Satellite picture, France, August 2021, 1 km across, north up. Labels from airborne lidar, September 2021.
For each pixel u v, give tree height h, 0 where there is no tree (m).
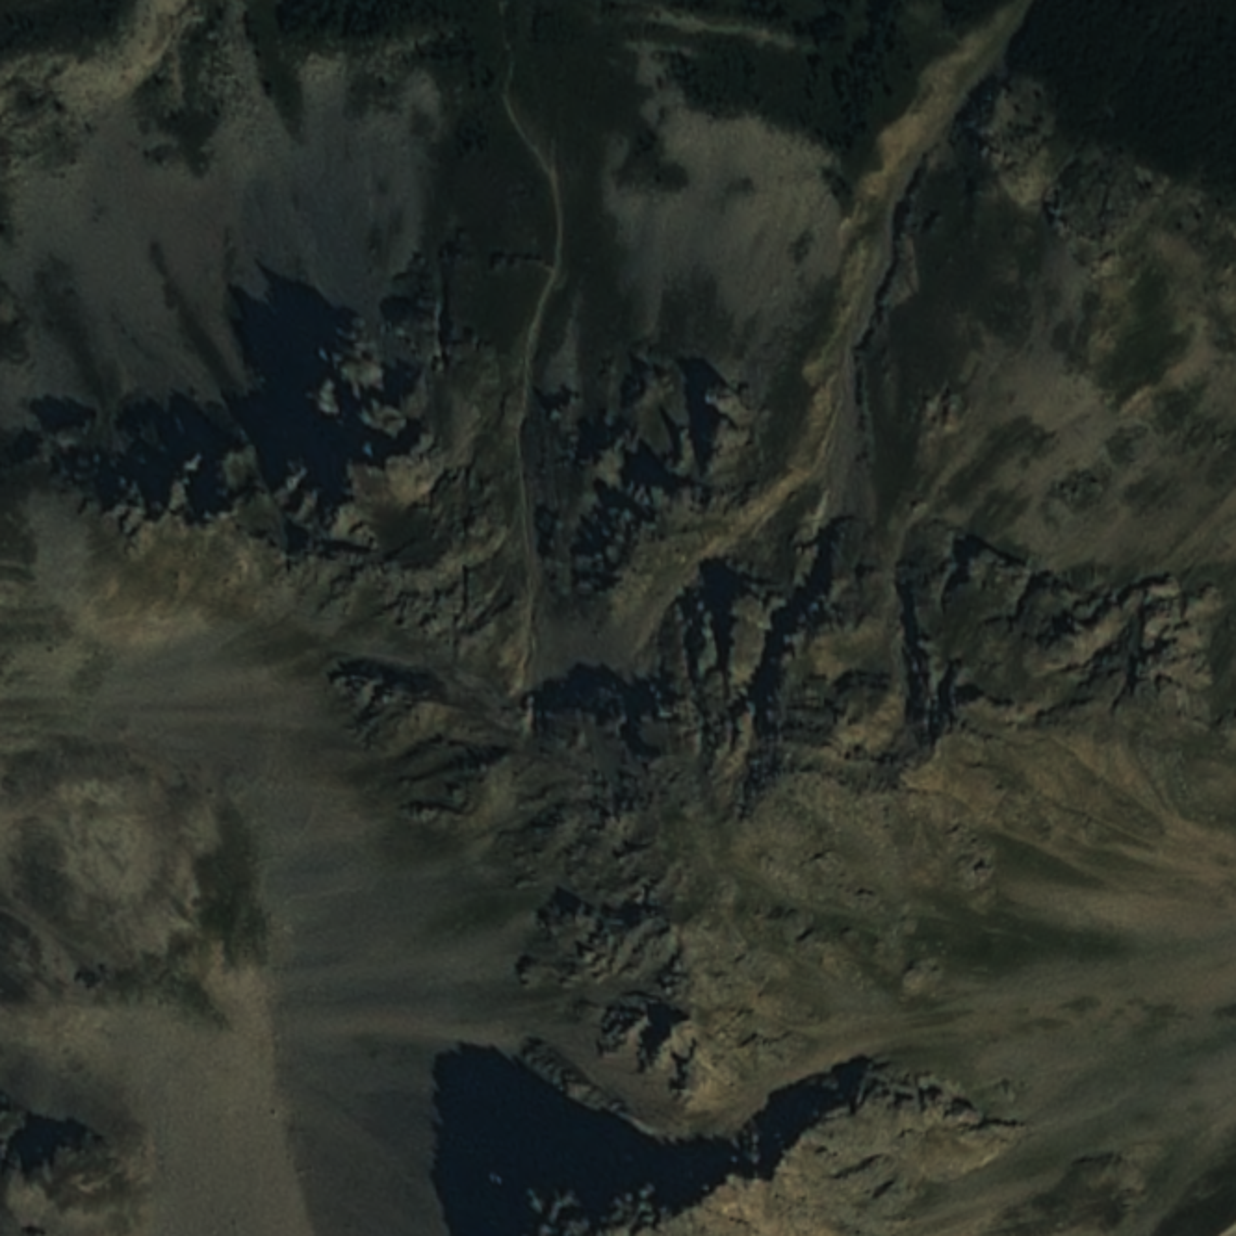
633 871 0
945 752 0
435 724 0
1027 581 0
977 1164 0
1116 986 0
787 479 0
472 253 0
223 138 0
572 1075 0
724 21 0
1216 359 0
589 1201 0
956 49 0
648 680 0
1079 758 0
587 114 0
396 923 0
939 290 0
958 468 0
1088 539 0
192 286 0
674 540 0
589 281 0
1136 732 0
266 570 0
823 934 0
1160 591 0
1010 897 0
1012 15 0
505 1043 0
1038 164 0
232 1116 0
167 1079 0
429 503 0
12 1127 0
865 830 0
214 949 0
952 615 0
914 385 0
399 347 0
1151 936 0
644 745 0
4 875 0
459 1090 0
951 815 0
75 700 0
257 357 0
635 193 0
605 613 0
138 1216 0
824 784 0
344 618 0
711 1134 0
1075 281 0
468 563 0
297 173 0
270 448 0
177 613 0
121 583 0
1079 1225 0
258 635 0
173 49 0
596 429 0
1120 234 0
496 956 0
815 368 0
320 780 0
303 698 0
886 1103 0
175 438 0
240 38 0
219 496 0
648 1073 0
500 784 0
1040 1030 0
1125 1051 0
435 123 0
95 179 0
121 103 0
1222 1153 0
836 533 0
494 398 0
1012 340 0
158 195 0
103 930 0
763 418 0
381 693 0
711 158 0
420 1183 0
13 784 0
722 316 0
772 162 0
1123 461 0
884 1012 0
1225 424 0
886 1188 0
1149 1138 0
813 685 0
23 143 0
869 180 0
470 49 10
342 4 17
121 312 0
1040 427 0
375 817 0
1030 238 0
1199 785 0
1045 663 0
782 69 0
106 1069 0
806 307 0
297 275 0
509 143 0
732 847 0
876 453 0
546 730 0
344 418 0
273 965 0
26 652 0
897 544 0
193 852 0
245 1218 0
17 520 0
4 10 0
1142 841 0
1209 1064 0
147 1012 0
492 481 0
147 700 0
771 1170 0
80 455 0
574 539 0
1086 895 0
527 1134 0
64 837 0
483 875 0
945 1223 0
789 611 0
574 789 0
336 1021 0
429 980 0
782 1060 0
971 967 0
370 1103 0
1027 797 0
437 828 0
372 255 0
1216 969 0
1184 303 0
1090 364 0
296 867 0
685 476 0
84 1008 0
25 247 0
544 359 0
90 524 0
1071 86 5
